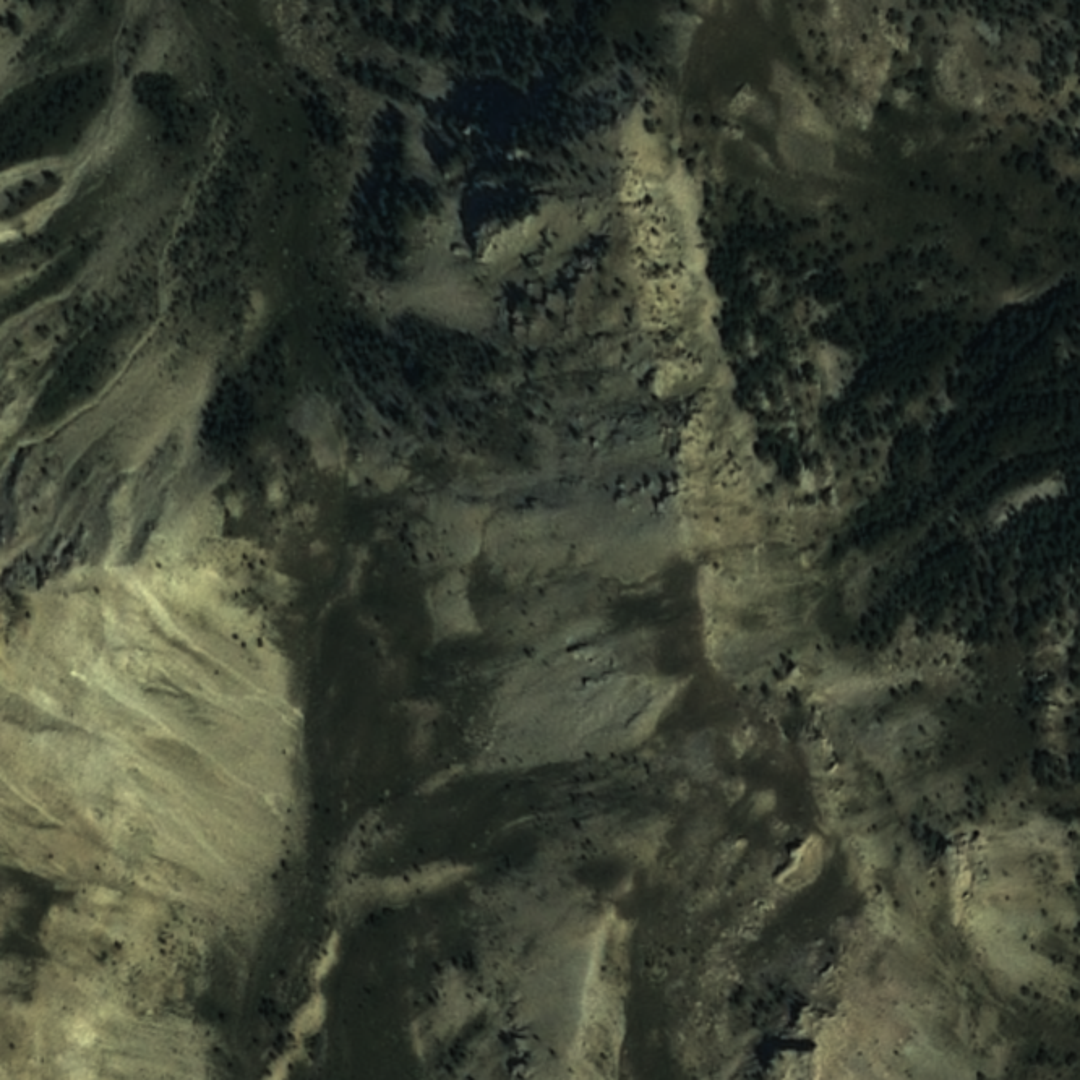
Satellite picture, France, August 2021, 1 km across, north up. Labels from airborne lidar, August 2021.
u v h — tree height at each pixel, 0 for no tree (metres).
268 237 0
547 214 0
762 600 0
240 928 0
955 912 0
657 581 0
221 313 0
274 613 0
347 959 0
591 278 0
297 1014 0
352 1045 0
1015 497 0
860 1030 0
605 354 0
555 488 0
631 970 0
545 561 0
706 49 0
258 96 0
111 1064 0
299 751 0
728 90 0
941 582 10
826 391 0
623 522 0
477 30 18
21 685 0
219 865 0
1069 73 10
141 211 0
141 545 0
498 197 10
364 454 0
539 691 0
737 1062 0
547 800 0
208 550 0
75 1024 0
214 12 0
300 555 0
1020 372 19
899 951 0
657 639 0
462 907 0
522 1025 0
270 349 7
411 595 0
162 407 0
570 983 0
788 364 9
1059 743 0
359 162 0
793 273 9
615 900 0
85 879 0
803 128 0
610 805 0
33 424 0
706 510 0
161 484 0
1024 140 0
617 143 0
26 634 0
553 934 0
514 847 0
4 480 0
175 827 0
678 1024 0
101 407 0
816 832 0
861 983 0
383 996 0
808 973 0
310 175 0
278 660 0
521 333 0
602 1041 0
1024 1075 0
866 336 11
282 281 0
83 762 0
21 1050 0
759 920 0
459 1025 0
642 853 0
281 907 0
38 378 0
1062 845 0
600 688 0
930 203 0
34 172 0
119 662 0
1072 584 9
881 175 0
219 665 0
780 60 0
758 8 0
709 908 0
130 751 0
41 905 0
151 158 0
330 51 0
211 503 0
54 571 0
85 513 0
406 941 0
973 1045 0
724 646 0
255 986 0
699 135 0
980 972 0
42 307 0
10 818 0
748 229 11
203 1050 0
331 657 0
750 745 0
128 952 0
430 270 0
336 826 0
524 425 0
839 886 0
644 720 0
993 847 0
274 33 0
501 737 0
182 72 0
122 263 0
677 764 0
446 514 0
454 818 0
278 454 0
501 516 0
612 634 0
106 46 0
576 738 0
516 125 8
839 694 0
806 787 0
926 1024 0
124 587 0
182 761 0
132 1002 0
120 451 0
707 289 0
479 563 0
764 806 0
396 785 0
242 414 7
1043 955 0
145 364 0
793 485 8
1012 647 0
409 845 0
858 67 0
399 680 0
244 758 0
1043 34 16
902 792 0
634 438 0
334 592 0
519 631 0
